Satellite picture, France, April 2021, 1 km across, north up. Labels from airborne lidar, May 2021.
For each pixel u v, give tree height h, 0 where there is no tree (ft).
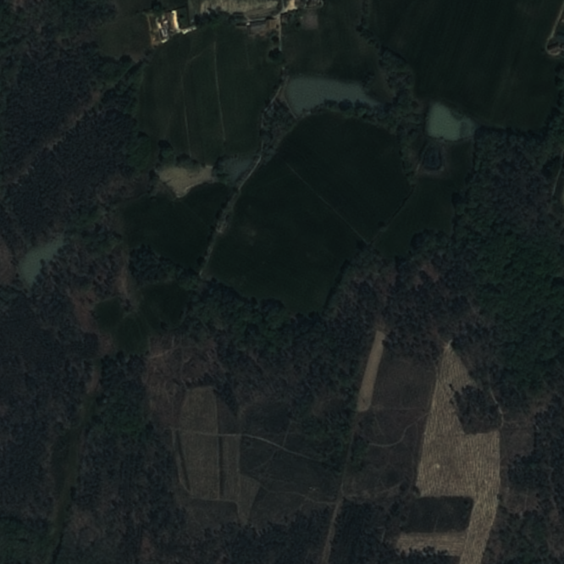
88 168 63
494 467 0
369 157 0
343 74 0
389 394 0
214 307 84
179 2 0
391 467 0
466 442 0
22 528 73
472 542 0
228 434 0
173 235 0
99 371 0
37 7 40
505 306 58
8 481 53
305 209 0
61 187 77
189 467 0
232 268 0
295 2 0
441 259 71
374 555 67
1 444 34
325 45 0
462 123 0
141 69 41
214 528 0
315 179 0
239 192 26
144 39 0
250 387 19
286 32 0
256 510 0
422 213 0
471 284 85
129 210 0
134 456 37
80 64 74
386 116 60
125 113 48
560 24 0
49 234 42
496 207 61
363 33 48
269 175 0
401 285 67
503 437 0
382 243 0
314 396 73
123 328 0
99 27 24
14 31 50
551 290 88
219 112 0
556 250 53
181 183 0
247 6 0
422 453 0
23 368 60
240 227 0
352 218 0
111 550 48
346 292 51
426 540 0
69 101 74
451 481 0
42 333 44
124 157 71
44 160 71
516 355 74
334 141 0
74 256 45
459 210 81
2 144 69
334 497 0
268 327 80
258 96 0
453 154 0
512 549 52
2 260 0
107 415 56
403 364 0
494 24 0
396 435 0
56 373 76
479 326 22
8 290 33
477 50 0
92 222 36
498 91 0
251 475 0
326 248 0
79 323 73
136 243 0
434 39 0
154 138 0
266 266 0
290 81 0
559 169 29
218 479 0
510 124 0
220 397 37
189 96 0
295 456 0
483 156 60
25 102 67
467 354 31
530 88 0
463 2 0
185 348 0
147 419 56
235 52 0
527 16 0
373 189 0
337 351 69
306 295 0
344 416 46
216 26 39
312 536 58
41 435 66
